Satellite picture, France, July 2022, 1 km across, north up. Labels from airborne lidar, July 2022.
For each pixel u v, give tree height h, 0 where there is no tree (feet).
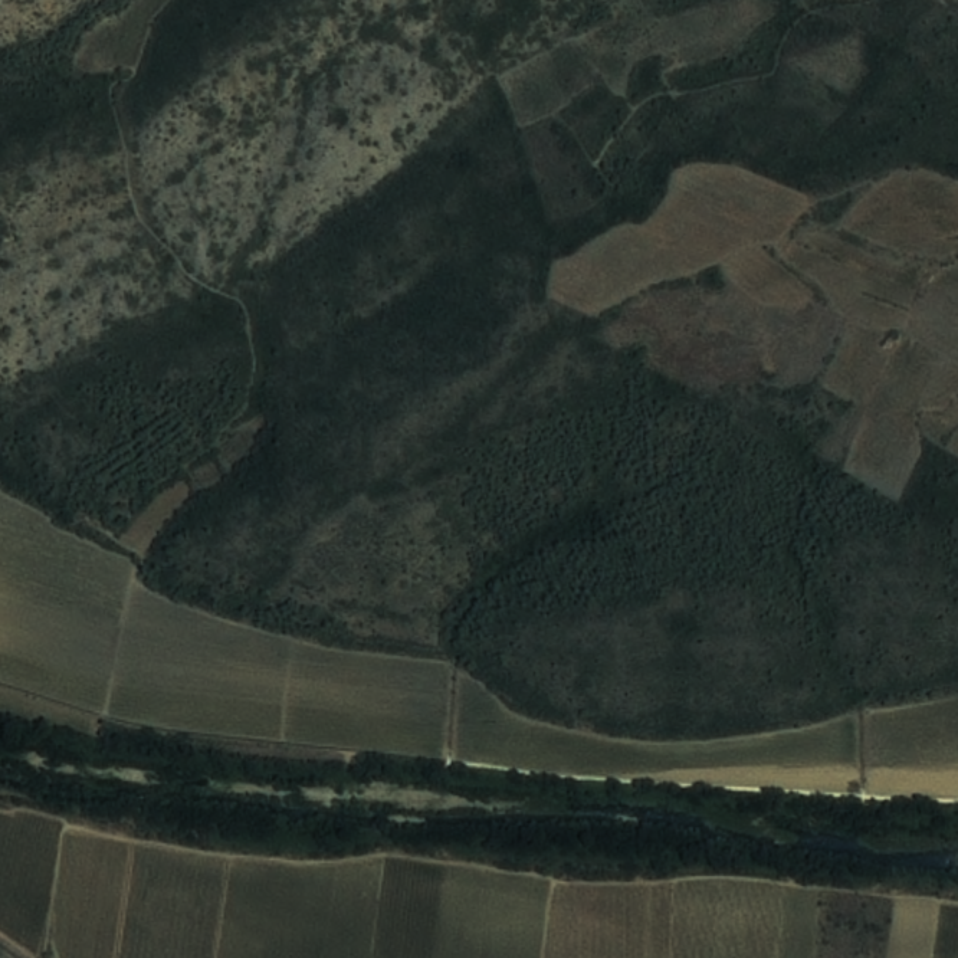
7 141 0
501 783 21
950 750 0
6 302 0
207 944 0
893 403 0
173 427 47
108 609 0
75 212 0
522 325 0
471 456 29
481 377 0
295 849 17
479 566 24
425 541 0
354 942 0
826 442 0
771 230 0
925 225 0
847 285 0
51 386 0
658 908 0
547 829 33
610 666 0
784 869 52
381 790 0
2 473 23
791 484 31
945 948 0
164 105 0
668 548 36
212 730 0
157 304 0
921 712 0
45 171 0
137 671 0
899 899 0
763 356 0
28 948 0
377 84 0
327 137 0
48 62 24
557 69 0
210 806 37
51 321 0
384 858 0
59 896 0
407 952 0
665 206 0
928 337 0
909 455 0
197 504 21
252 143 0
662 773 0
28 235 0
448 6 0
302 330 0
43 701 0
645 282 0
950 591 35
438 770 42
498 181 0
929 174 0
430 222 0
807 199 0
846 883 36
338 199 0
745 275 0
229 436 20
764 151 0
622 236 0
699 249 0
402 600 0
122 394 39
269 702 0
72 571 0
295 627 23
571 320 0
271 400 21
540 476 33
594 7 22
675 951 0
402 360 0
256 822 28
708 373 0
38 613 0
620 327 0
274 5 0
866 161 0
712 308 0
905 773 0
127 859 0
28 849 0
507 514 37
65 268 0
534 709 21
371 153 0
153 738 19
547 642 0
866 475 0
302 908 0
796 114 0
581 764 0
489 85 0
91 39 0
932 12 0
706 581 25
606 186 28
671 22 0
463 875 0
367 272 0
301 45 0
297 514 0
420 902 0
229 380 31
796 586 49
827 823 20
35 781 31
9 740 78
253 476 19
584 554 30
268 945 0
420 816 27
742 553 45
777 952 0
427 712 0
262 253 0
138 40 0
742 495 36
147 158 0
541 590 33
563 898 0
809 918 0
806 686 33
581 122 0
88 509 38
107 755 30
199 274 0
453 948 0
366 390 0
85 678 0
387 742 0
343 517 0
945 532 22
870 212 0
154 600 0
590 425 33
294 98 0
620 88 0
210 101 0
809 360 0
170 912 0
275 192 0
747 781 0
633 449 29
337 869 0
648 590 26
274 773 21
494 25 0
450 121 0
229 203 0
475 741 0
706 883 0
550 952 0
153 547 26
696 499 31
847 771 0
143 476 54
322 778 24
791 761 0
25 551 0
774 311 0
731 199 0
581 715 31
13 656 0
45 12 0
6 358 0
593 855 28
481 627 28
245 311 27
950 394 0
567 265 0
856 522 22
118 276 0
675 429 30
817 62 0
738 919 0
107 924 0
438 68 0
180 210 0
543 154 0
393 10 0
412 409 0
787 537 40
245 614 43
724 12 0
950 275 0
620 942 0
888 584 0
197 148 0
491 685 25
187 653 0
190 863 0
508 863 29
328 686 0
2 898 0
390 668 0
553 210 0
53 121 18
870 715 0
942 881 26
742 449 28
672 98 20
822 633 30
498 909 0
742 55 25
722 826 0
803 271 0
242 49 0
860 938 0
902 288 0
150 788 17
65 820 0
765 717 24
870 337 0
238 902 0
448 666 0
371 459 0
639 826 32
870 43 20
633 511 30
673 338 0
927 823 19
